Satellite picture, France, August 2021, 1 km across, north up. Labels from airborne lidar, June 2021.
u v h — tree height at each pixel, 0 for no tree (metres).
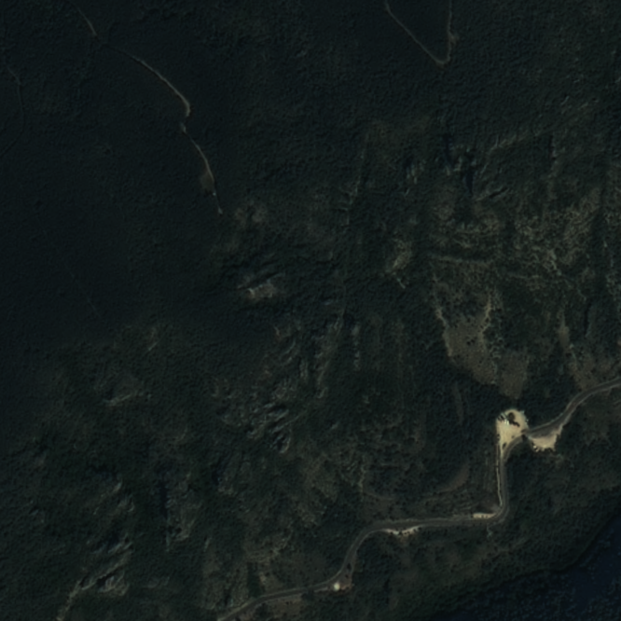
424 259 6
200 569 10
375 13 14
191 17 16
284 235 9
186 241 12
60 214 14
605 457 8
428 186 9
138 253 10
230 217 12
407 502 9
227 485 5
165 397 10
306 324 6
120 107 15
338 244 8
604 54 8
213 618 8
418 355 7
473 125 7
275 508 7
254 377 8
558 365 8
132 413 10
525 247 6
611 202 7
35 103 12
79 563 8
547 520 7
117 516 8
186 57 15
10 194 17
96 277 14
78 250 15
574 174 6
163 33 16
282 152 8
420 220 7
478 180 7
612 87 13
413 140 6
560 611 16
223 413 7
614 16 7
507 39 9
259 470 6
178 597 7
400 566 8
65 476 11
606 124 14
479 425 12
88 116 17
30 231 17
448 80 9
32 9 22
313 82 14
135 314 11
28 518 6
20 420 13
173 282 12
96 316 13
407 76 10
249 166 8
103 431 9
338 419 9
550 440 0
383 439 6
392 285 9
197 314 14
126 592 6
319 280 7
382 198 10
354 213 19
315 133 7
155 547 8
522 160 12
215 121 13
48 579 6
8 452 8
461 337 0
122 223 12
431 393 10
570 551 12
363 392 10
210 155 12
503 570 8
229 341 13
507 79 9
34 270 17
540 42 6
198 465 15
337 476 9
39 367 10
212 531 8
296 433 9
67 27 20
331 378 7
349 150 8
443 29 13
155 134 19
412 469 10
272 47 12
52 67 14
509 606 20
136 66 14
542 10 8
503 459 0
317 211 8
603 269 8
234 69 13
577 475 7
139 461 15
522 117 6
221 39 11
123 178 11
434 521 0
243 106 9
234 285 8
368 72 12
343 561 7
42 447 11
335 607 6
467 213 5
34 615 7
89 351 10
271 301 10
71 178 12
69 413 8
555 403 13
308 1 15
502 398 12
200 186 16
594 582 30
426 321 9
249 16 8
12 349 15
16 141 14
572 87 10
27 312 16
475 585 8
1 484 7
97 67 17
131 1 12
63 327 16
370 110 6
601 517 14
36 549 9
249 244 8
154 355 8
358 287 12
